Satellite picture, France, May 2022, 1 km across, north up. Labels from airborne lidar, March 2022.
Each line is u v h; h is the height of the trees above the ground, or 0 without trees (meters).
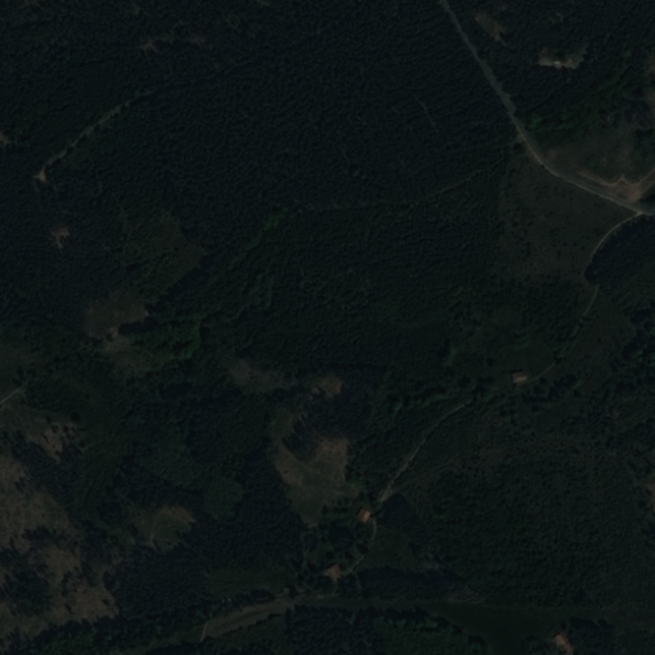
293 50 23
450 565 9
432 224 9
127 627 27
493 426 6
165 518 0
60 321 25
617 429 7
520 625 0
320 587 25
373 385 24
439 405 6
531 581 8
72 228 23
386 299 8
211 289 11
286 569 27
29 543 27
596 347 0
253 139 22
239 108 24
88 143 8
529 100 23
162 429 17
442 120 18
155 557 25
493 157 8
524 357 0
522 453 8
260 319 13
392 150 17
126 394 12
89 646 28
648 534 20
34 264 25
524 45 21
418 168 17
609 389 8
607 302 0
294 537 30
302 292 10
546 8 22
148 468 26
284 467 0
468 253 8
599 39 20
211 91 24
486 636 0
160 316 28
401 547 0
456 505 10
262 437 7
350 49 24
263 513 28
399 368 7
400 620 27
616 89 14
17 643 26
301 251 7
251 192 20
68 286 25
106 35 25
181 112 27
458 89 16
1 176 21
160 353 30
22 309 27
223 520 30
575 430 7
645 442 8
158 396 10
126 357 0
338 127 25
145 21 26
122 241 11
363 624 14
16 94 13
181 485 24
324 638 13
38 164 17
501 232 6
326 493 0
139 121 10
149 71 20
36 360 0
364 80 23
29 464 29
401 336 9
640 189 0
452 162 17
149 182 8
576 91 18
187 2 22
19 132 6
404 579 33
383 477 7
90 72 11
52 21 25
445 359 27
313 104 29
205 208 25
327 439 28
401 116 13
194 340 32
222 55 24
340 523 7
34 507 0
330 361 10
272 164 27
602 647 27
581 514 7
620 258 26
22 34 26
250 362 29
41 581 27
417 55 20
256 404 7
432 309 11
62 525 0
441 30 19
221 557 31
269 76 23
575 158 0
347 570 10
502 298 8
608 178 0
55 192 13
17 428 0
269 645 11
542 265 0
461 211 6
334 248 6
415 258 8
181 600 28
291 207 20
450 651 26
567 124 23
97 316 0
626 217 0
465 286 8
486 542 7
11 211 22
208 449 29
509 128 9
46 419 0
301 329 12
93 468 5
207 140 30
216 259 27
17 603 27
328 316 10
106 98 14
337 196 22
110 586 27
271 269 7
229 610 21
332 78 27
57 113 11
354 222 8
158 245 0
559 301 8
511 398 6
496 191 8
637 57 23
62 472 24
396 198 14
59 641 26
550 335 9
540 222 0
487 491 9
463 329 10
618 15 18
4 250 26
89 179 15
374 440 11
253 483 27
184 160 23
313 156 20
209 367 13
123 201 9
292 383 25
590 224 0
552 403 7
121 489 30
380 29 26
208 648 16
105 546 27
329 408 28
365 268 8
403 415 8
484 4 21
